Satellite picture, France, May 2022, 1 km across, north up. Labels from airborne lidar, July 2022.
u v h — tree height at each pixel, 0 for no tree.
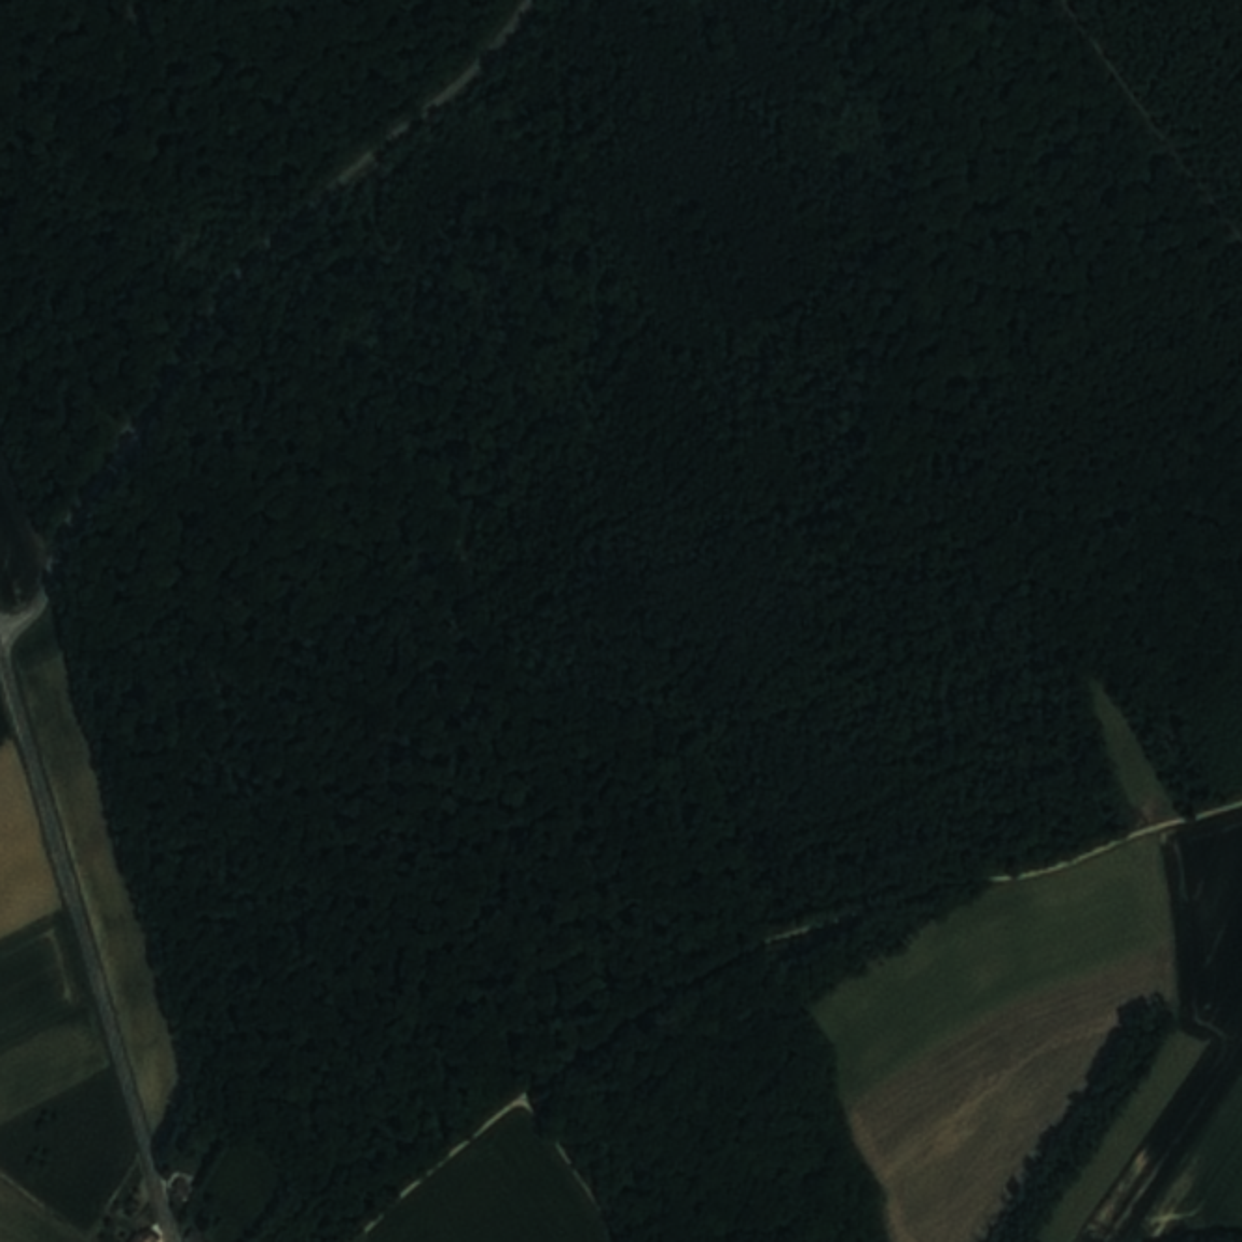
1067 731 26
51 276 27
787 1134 23
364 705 30
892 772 16
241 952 32
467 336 25
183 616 23
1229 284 24
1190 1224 0
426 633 35
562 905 34
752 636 29
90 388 30
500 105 25
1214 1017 0
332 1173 24
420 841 29
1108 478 33
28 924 0
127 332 33
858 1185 24
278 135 28
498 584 15
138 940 0
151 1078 0
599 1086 30
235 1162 0
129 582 33
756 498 18
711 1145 30
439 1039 28
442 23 29
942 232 30
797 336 9
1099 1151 13
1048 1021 0
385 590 29
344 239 28
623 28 17
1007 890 0
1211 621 33
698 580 25
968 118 31
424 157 12
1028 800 25
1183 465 33
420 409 29
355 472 33
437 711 35
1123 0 22
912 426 33
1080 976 0
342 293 30
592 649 28
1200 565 24
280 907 26
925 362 36
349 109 30
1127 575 34
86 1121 0
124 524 32
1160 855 0
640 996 29
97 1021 0
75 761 0
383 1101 30
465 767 31
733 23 14
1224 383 25
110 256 30
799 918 15
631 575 23
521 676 30
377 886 29
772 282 17
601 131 19
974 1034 0
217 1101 29
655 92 15
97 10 34
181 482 31
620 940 27
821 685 19
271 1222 14
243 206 9
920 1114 0
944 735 23
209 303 23
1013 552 29
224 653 30
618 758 32
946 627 22
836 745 29
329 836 32
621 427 13
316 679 28
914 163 34
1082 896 0
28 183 26
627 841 33
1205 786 11
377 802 26
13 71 32
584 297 17
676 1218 28
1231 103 22
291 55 32
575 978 33
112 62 33
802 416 7
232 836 25
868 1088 0
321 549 32
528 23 19
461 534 24
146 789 27
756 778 21
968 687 10
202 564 34
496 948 28
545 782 32
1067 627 31
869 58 31
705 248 22
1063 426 27
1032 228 31
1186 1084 0
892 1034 0
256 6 32
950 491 27
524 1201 0
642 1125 30
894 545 28
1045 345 28
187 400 35
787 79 13
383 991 31
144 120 32
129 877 19
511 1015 31
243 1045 32
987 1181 0
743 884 25
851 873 26
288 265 7
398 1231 0
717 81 14
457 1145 18
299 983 29
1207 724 24
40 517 24
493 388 28
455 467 29
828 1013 0
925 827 22
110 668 29
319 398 33
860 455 24
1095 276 28
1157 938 0
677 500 20
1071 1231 0
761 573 23
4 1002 0
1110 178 27
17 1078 0
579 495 22
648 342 13
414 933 33
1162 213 27
